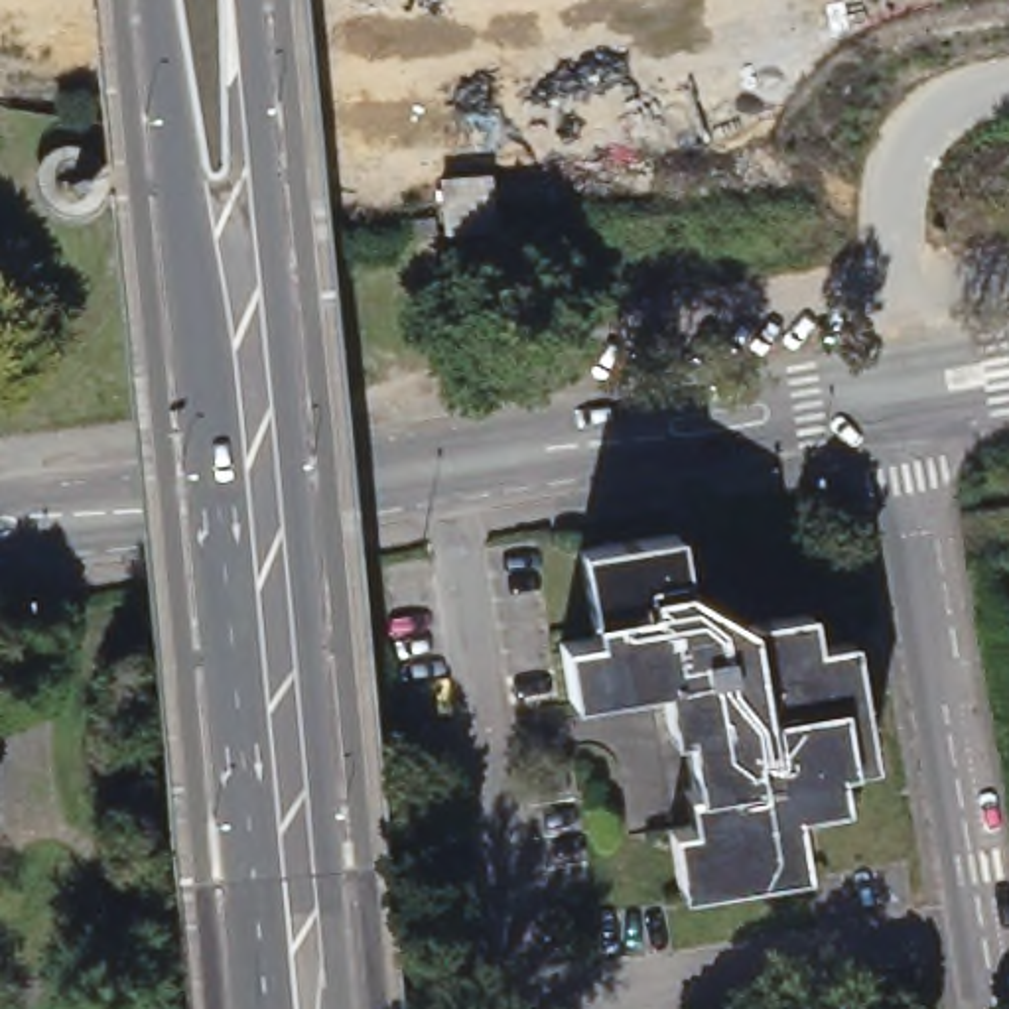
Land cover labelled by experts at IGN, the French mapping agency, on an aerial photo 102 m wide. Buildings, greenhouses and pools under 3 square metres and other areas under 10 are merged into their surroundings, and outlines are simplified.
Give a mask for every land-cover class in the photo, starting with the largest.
<instances>
[{"label":"impervious surface","instance_id":"1","mask_svg":"<svg viewBox=\"0 0 1009 1009\"><path fill-rule=\"evenodd\" d=\"M99 51L87 63V71H95L99 95L102 130L106 166L99 169V177L106 185L102 209L114 213L118 236L110 240L106 268L122 284V343L134 414L114 426L0 437V623L32 631H83L87 599L102 591H122V607L110 615V627L95 658V666H118L130 654H146L158 642L166 800L177 907L185 930L189 1009H390L406 989L398 966V938L390 930L386 910V875L378 867V859L386 855L382 733H398L406 745L434 753L461 773L457 792H465L469 800L465 812L441 836L445 863L461 871L457 883L465 922L473 926L477 946L489 950L501 970H508L516 997L536 1009H721L733 989L765 974L773 950L784 958H828L836 946L863 950L891 977H899L903 989H910L922 1005L938 1009H1009V828L1001 816L1005 784L993 749V717L974 631V587L966 568L985 556H1005L1009 568V493H993L958 508L954 477L958 469H981L985 453L993 449H1009V256L997 260L985 248H930L926 221L930 177L942 154L970 126L989 118L1001 106V99H1009V59L942 71L887 114L879 142L871 146L863 166L859 240L840 248L832 272L808 268L773 276L769 284L749 276L733 288H702L694 307L678 311L682 335L694 351L698 343L729 347L733 339H741L757 355V402L741 410H721L717 418H709V406H702L698 398L654 410L631 406L639 390V370L627 355L635 343L639 315H619L615 303H603L587 319V339L599 355L591 374L568 390H556L544 406L505 402L493 414H457L445 410L441 382L430 370H394L390 378L367 386L359 292L351 272L347 244L355 236L398 233L386 209H327L311 0H91ZM824 489L828 497L851 505L863 524L883 532V556H871L859 568H832L828 560L800 548L796 508L820 497ZM635 536L642 544H690L698 556L702 603H709L713 611L753 631L784 623H824L832 650L867 654L863 678L875 694V725L887 749V776H867L863 784H855V824L840 820L820 824V832H812L820 891L773 903H690V895H682L674 883L670 836H682L694 824V776L690 761L678 757L666 741L662 702L623 706L611 717L568 706L564 650L595 646L583 556L619 552ZM536 749L572 761L579 769V780L587 776L603 788V800L623 828L615 855H595L587 847L579 788L532 796L520 812L501 796L505 776Z\"/></svg>","mask_w":1009,"mask_h":1009},{"label":"pervious surface","instance_id":"2","mask_svg":"<svg viewBox=\"0 0 1009 1009\"><path fill-rule=\"evenodd\" d=\"M99 51L91 0H0V110L39 114H55L59 102L71 95H99L95 71H87V63ZM327 209H386L398 233H410L418 221L441 213L434 205V193H441L453 177H489V201L477 205L453 236L461 244L457 256L465 276L477 264L505 268L512 256L524 252V244H536L544 248L556 272L572 276L568 296H603V303H615L619 315H639L635 343L674 347L682 335L678 311L694 307L702 288H733L749 276L741 260H709L698 252H658L646 260H631L615 252L587 225L579 209L583 193L631 189L662 197H709L717 189L749 185H808L824 197L808 205L816 221L796 244V256L808 268L832 272L840 248L859 240L863 166L871 146L879 142L887 114L942 71L1009 59V0H311ZM930 248H985L997 260L1009 256V197L962 201L946 213V229H934L926 221ZM59 840L83 859L95 855V832L71 828L63 820L51 773V737L47 725H39L20 737H0V847Z\"/></svg>","mask_w":1009,"mask_h":1009},{"label":"deciduous trees","instance_id":"3","mask_svg":"<svg viewBox=\"0 0 1009 1009\"><path fill-rule=\"evenodd\" d=\"M47 130H102L99 95H71L59 102L55 114H39ZM410 233H398L355 236L347 244L351 272H402V343L422 351L430 370L441 382L445 410L457 414H493L505 402L544 406L556 390H568L591 374L599 355L587 339V319L603 303V296H568L572 276L556 272L544 248L536 244H524V252L512 256L505 268L477 264L465 276L457 256L461 244L453 236L445 233L434 240L430 252L410 256ZM79 311L55 303V292L24 288L16 296V288L0 276V410L24 406L39 394L35 374H43L51 355H63V323H71ZM639 370V390L631 406L654 410L698 398L702 406H709V418H717L721 410H741L757 402V355L741 339H733L729 347L698 343L694 351L682 335L674 347L635 343L627 355ZM800 548L828 560L832 568H859L871 556H883V532L863 524L851 505L828 497L824 489L820 497L796 508ZM83 631H32L0 623V737H20L39 725H47L51 737L59 729L75 741L87 729L99 733L91 753H99V765L106 773L91 776L95 832V855L71 863V871L51 875L55 930L47 954H55V946L67 942L75 950V962L63 970L59 989L51 985L39 1005L24 1001L28 966L16 958L24 938L0 922V1009H189L185 930L177 907L166 800L158 642L146 654H130L118 666H95V658L79 654ZM461 773L434 753L406 745L398 733H382L386 855L378 859V867L386 875V910L390 930L398 938V966L406 989L390 1009H536L516 997L508 970H501L489 950L477 946L473 926L465 922L457 883L461 871L445 863L441 836L465 812L469 800L465 792H457ZM579 788L587 847L595 855H615L623 828L603 800V788L587 776L579 780V769L572 761L536 749L505 776L501 796L520 812L532 796ZM721 1009H938L922 1005L910 989H903L899 977H891L863 950L836 946L828 958H784L773 950L765 974L733 989Z\"/></svg>","mask_w":1009,"mask_h":1009},{"label":"building","instance_id":"4","mask_svg":"<svg viewBox=\"0 0 1009 1009\"><path fill-rule=\"evenodd\" d=\"M79 162L75 146H59L39 162L35 189L28 193V201L43 221H87L102 209L106 185L99 177L83 185H59V169ZM489 177H453L441 193H434V205L441 213L418 221L410 233V256L430 252L434 240L445 233L453 236L477 205L489 201ZM595 646L564 650L568 706L611 717L623 706L662 702L666 741L678 757L690 761L694 776V824L682 836H670L674 883L682 895H690V903H773L820 891L812 832H820V824L840 820L855 824V784H863L867 776H887V749L875 725V694L863 678L867 654L832 650L824 623H784L753 631L713 611L709 603H702L698 556L690 544H642L635 536L619 552L583 556Z\"/></svg>","mask_w":1009,"mask_h":1009},{"label":"herbaceous vegetation","instance_id":"5","mask_svg":"<svg viewBox=\"0 0 1009 1009\"><path fill-rule=\"evenodd\" d=\"M59 146H75L79 162L59 169V185H83L99 177V169L106 166L102 130H47L39 114L0 110V276L16 288V296L24 288L55 292V303L79 311L71 323H63V355H51L43 374H35L39 394L24 406L0 410V437L114 426L134 414L122 343V284L106 268L110 240L118 236L114 213L102 209L87 221H43L28 201V193L35 189L39 162ZM359 292L367 386L390 378L394 370H430L422 351L402 343V272H351ZM122 607V591H102L87 599L83 631L79 654L95 658L110 627V615ZM99 733L87 729L75 741L59 729L51 737V773L63 820L71 828L95 832L91 776L106 773L99 765V753H91ZM83 859L59 840L0 847V922L24 938L16 958L28 966L24 1001L39 1005L51 985L59 989L63 970L75 962V950L67 942L55 946V954H47L55 930L51 875L71 871V863Z\"/></svg>","mask_w":1009,"mask_h":1009},{"label":"brushwood","instance_id":"6","mask_svg":"<svg viewBox=\"0 0 1009 1009\"><path fill-rule=\"evenodd\" d=\"M1009 197V99H1001V106L989 118L970 126L942 154L930 177L926 221L934 229H946V213L962 201ZM824 197L808 185H749L717 189L709 197H662L631 189L583 193L579 209L587 225L615 252L631 260H646L658 252H698L709 260H741L749 276L769 284L773 276L808 268L796 256V244L816 221L808 205ZM993 493H1009V449H993L985 453L981 469H958L954 477L958 508ZM974 587V631L993 717V749L1005 784L1001 816L1009 828V568L1005 556H985L966 568Z\"/></svg>","mask_w":1009,"mask_h":1009}]
</instances>
